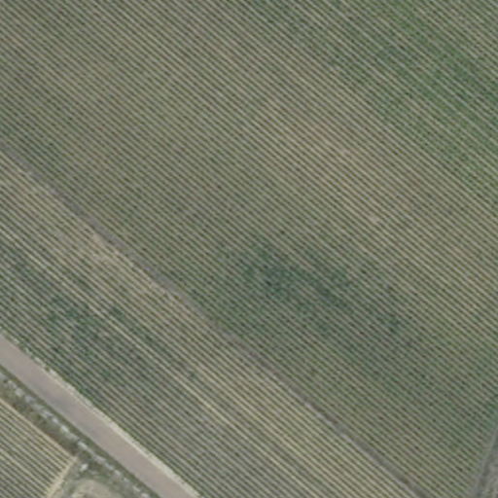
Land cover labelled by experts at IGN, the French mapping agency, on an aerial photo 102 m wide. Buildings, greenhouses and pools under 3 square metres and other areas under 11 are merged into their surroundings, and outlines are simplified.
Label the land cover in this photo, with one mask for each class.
<instances>
[{"label":"vineyard","instance_id":"1","mask_svg":"<svg viewBox=\"0 0 498 498\"><path fill-rule=\"evenodd\" d=\"M0 333H4V337L10 342H16L21 352H29L31 358H39L47 366V370L58 373L80 395H84L95 409L101 410L117 426H121L134 442L148 449L175 475L191 484L202 498H498V0H0ZM72 455H76L80 461L88 465L86 471H78V479L97 480L121 498H156L158 492L152 486L142 482L134 473H130L121 461H117L101 445L95 444L64 414H60L45 399H41L29 385H25L18 375L10 372L4 364H0V498H60V486L64 480L58 479L56 475Z\"/></svg>","mask_w":498,"mask_h":498},{"label":"impervious surface","instance_id":"2","mask_svg":"<svg viewBox=\"0 0 498 498\"><path fill-rule=\"evenodd\" d=\"M0 364H4L10 372L18 375L25 385H29L41 399H45L60 414H64L95 444L101 445L117 461H121L130 473H134L142 482L152 486L158 492L156 498H202L191 484L175 475L148 449L134 442L121 426H117L101 410L95 409L84 395H80L58 373L47 370V366L39 358H31L29 352H21L16 342H10L4 337V333H0Z\"/></svg>","mask_w":498,"mask_h":498},{"label":"herbaceous vegetation","instance_id":"3","mask_svg":"<svg viewBox=\"0 0 498 498\"><path fill-rule=\"evenodd\" d=\"M88 465L80 461L76 455H72L56 475L58 479L64 480L60 486V498H121L97 480L78 479V471H86Z\"/></svg>","mask_w":498,"mask_h":498}]
</instances>
